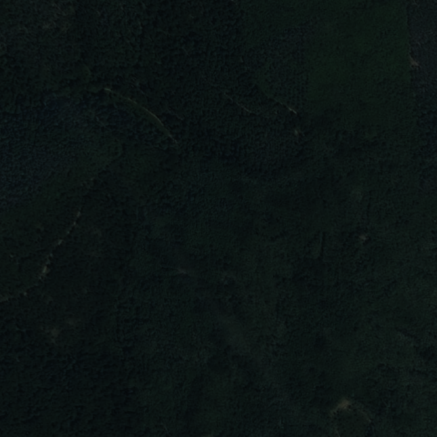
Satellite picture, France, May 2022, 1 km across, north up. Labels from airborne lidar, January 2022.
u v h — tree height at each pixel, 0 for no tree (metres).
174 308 19
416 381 24
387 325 17
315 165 15
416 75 13
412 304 22
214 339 18
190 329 13
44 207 19
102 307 20
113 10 17
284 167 24
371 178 18
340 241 14
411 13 12
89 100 26
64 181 20
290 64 13
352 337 14
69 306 12
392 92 21
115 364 21
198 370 16
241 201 14
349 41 13
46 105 16
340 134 15
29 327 21
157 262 12
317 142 20
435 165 18
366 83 18
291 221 17
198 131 30
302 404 19
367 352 20
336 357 17
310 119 14
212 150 14
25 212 20
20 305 12
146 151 22
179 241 12
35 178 21
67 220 13
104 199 23
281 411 21
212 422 19
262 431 23
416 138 15
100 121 25
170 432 20
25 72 25
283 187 18
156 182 21
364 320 20
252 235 13
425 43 14
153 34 27
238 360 17
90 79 17
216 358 21
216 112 21
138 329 21
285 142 21
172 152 31
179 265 16
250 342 15
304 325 18
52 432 13
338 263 12
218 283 15
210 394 15
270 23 10
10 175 21
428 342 20
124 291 24
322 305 21
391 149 13
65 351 11
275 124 24
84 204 15
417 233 25
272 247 18
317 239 14
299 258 15
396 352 7
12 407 22
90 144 20
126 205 29
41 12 25
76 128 24
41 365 22
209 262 13
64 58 15
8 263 17
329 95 17
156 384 15
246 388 28
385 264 24
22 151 25
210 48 22
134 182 29
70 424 17
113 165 19
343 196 14
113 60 20
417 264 21
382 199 16
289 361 20
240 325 12
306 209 10
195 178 23
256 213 20
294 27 12
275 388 22
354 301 18
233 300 11
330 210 12
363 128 19
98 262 10
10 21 16
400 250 24
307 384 17
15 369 30
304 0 10
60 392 28
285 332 23
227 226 17
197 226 17
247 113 18
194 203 19
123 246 21
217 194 16
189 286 15
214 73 16
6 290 19
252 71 12
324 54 16
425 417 20
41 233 24
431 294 19
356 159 13
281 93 19
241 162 19
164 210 24
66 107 33
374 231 19
